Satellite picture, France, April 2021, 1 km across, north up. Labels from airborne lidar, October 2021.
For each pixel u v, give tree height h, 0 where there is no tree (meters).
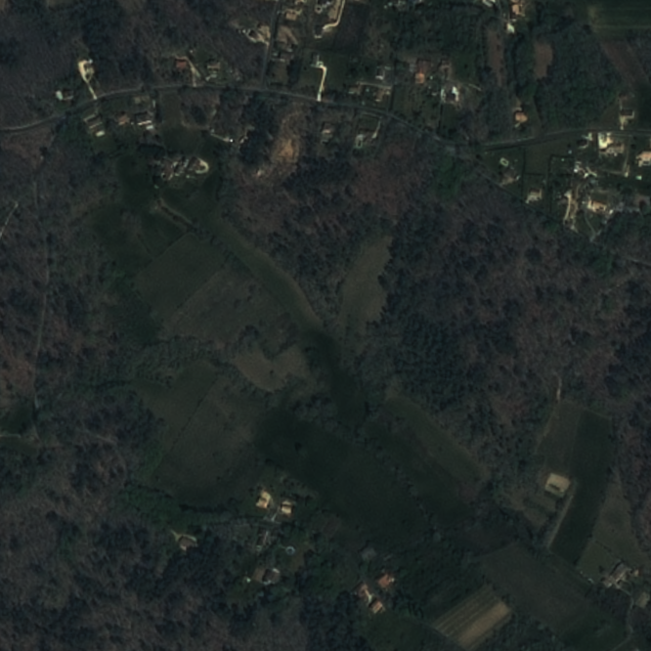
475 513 8
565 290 14
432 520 9
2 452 13
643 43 22
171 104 0
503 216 14
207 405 0
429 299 15
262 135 19
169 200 0
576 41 19
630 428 9
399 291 14
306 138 7
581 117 24
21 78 16
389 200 10
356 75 8
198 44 9
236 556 19
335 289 9
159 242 0
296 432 0
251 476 0
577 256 11
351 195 22
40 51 16
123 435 11
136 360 21
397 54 7
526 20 0
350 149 7
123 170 0
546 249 13
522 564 0
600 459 0
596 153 0
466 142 18
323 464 0
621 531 0
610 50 0
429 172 20
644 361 26
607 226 8
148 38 11
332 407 17
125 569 6
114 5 20
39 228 14
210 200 0
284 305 0
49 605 13
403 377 21
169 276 0
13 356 7
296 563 0
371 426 0
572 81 18
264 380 0
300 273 12
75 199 22
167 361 25
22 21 16
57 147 14
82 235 17
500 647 7
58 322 10
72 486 15
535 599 0
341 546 7
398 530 0
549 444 0
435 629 0
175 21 10
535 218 20
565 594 0
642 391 23
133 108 10
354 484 0
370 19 7
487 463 15
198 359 9
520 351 12
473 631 0
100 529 13
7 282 10
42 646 10
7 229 15
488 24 12
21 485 12
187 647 11
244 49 11
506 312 8
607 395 17
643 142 0
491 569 0
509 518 13
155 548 11
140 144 12
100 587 15
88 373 24
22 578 11
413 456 0
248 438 0
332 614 21
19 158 12
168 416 0
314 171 24
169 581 19
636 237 21
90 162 16
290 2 11
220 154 22
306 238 13
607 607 15
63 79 9
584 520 0
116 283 6
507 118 16
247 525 11
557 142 0
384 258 0
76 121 10
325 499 0
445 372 11
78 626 15
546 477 0
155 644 11
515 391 15
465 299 25
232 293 0
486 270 15
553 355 17
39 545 16
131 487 19
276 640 17
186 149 0
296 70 9
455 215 13
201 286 0
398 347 9
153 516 17
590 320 19
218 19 25
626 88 24
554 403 8
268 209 7
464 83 0
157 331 9
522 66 21
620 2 0
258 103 15
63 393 16
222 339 0
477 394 19
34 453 0
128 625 14
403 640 9
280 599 9
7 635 11
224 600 19
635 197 0
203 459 0
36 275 14
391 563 15
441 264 9
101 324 18
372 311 0
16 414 0
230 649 16
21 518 13
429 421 0
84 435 11
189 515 19
